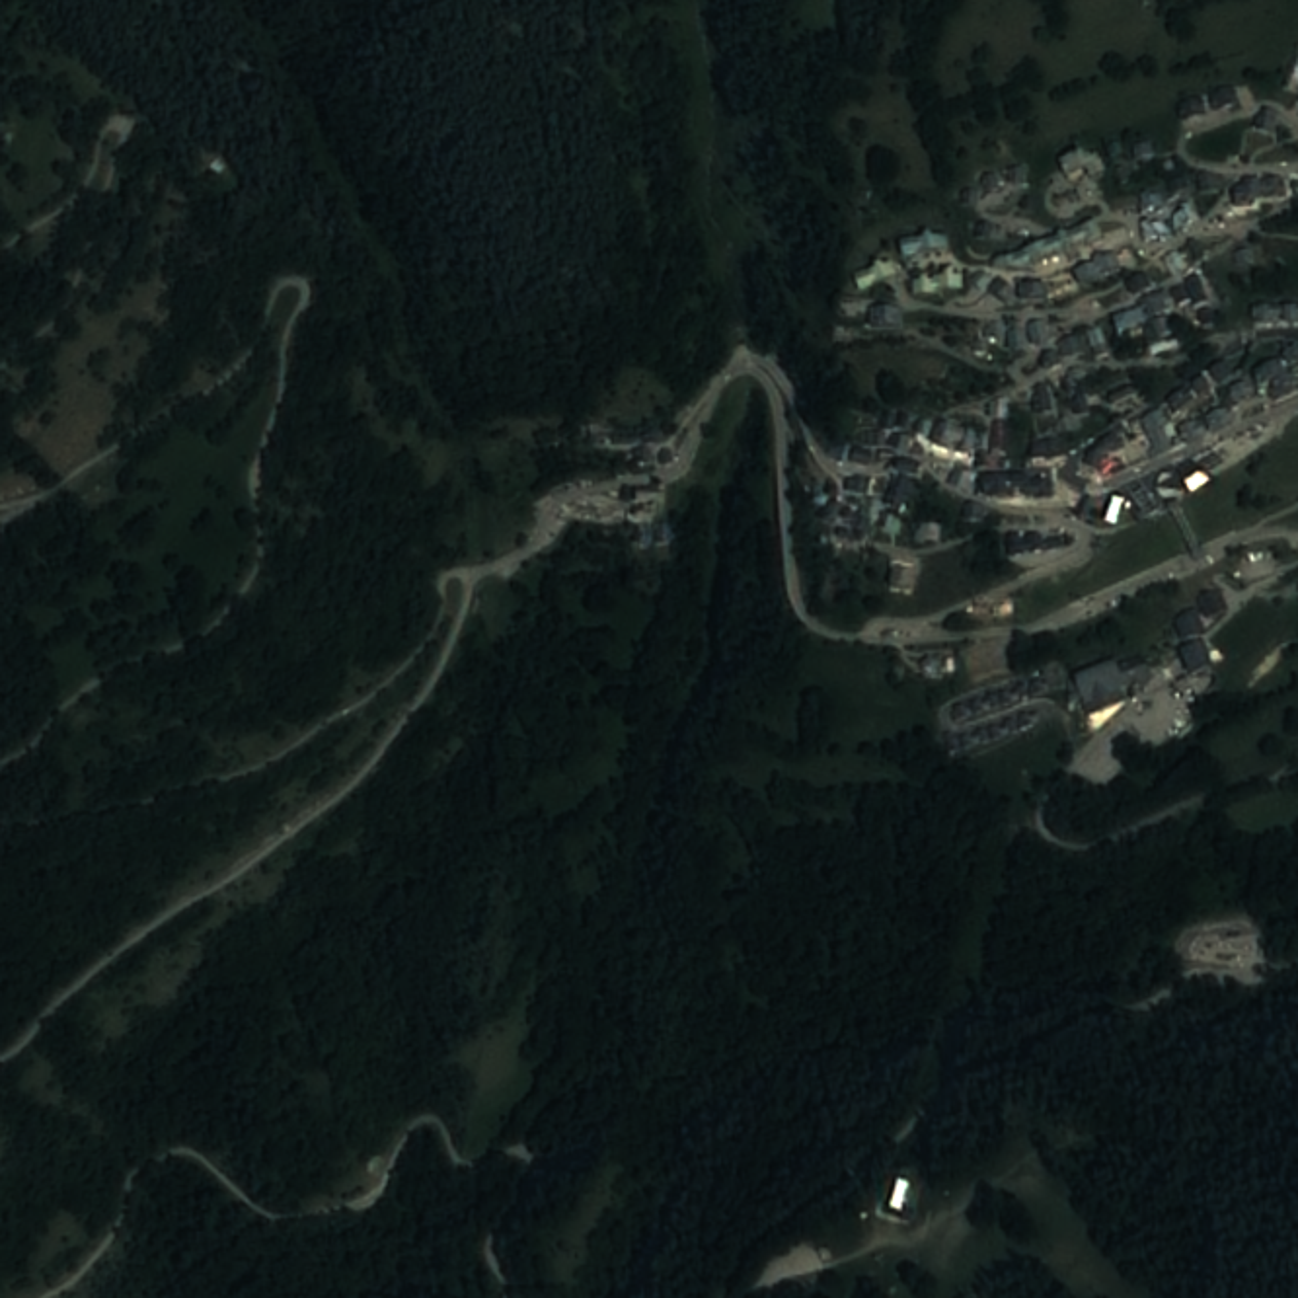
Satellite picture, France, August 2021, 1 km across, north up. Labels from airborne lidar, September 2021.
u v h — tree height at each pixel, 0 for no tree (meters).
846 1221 9
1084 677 0
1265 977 18
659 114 21
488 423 12
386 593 23
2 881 24
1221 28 0
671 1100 14
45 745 12
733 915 16
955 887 28
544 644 21
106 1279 10
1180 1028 7
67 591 16
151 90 26
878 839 21
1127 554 0
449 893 19
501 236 26
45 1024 12
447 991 11
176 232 16
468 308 12
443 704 9
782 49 14
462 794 18
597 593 19
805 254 16
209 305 23
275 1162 28
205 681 17
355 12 22
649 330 16
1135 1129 24
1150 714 0
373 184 24
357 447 22
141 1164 22
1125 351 11
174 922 8
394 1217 18
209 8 31
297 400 17
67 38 9
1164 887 6
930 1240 0
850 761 0
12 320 19
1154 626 0
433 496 9
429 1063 8
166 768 14
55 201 9
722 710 27
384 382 21
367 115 23
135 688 15
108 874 9
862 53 22
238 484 0
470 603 0
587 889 0
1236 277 10
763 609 16
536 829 24
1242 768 0
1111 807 16
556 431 9
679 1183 29
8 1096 11
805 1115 8
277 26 13
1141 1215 14
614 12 15
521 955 13
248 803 15
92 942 12
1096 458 0
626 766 15
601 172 25
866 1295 12
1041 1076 27
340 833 14
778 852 20
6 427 19
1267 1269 32
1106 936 22
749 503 18
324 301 12
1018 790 0
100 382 9
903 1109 16
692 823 20
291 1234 18
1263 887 21
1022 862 27
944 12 18
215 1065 23
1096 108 0
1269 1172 17
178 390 22
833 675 0
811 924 25
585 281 9
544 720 16
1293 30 0
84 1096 21
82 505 18
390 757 11
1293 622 0
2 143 11
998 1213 21
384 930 9
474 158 27
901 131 0
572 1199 20
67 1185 16
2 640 25
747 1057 25
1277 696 13
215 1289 21
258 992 15
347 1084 25
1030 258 0
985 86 15
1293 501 0
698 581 29
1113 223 0
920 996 24
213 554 0
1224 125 0
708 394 0
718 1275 22
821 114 16
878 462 0
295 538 7
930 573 0
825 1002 22
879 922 29
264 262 11
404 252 14
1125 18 0
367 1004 14
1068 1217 0
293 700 21
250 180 21
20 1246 10
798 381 16
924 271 7
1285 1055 39
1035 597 0
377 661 11
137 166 12
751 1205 21
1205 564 0
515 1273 14
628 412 0
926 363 0
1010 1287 13
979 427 6
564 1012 24
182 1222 18
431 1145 19
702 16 0
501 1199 27
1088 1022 21
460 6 17
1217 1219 22
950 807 25
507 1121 9
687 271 24
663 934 18
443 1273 24
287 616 12
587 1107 21
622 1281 31
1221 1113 24
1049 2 18
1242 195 0
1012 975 24
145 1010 10
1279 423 0
